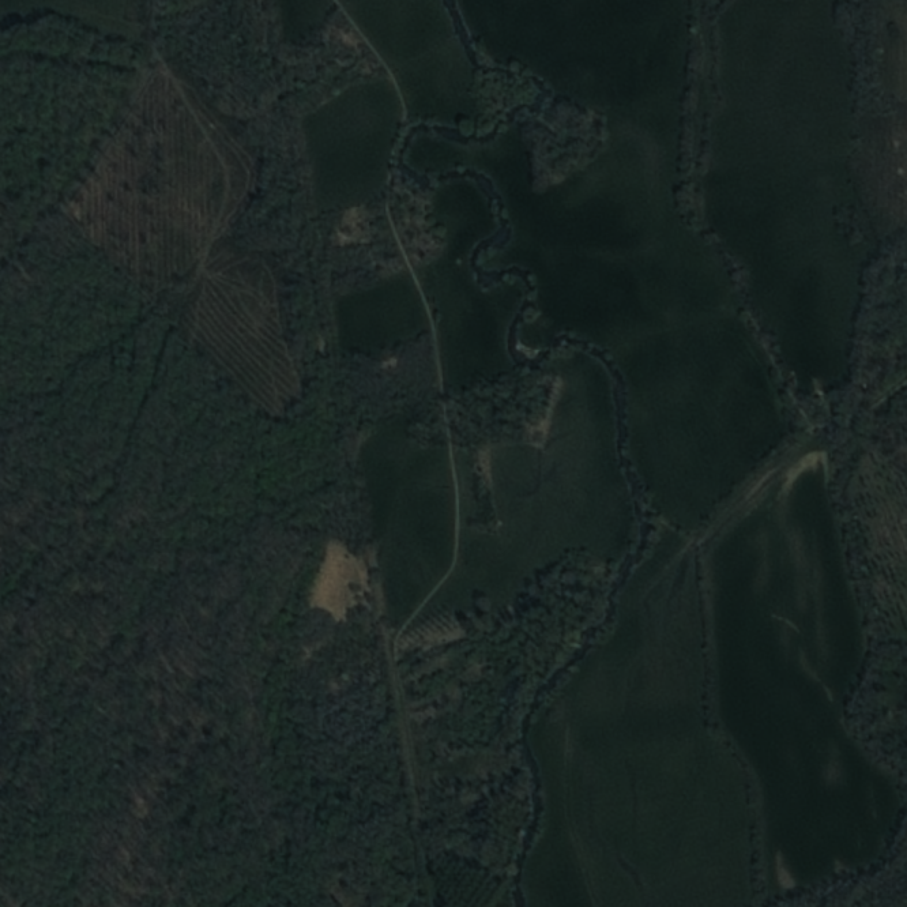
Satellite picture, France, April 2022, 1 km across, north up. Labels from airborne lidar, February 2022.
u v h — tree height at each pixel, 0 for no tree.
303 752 23
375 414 17
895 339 24
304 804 20
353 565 0
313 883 24
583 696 0
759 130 0
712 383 0
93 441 28
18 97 28
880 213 0
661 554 0
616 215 0
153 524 24
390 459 0
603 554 0
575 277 0
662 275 0
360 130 0
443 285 0
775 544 0
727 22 0
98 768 25
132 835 26
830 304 0
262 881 25
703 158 7
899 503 0
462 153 0
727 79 0
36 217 23
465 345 0
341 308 0
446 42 0
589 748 0
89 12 0
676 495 0
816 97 0
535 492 0
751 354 0
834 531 0
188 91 0
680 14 0
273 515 27
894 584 0
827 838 0
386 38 0
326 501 24
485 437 30
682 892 0
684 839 0
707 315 0
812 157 0
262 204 20
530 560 0
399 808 23
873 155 0
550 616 29
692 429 0
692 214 6
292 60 16
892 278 26
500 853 26
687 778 0
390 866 19
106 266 26
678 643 0
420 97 0
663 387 0
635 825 0
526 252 0
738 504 0
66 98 28
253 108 24
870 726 19
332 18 14
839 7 14
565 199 0
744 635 0
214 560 30
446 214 0
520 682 8
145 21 0
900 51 0
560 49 0
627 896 0
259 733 22
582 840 0
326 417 20
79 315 25
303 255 17
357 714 5
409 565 0
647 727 0
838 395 18
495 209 9
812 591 0
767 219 0
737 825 0
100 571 31
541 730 0
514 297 0
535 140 22
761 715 0
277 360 0
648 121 0
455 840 16
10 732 20
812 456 0
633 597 0
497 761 0
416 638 0
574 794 0
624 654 0
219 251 0
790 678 0
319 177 0
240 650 28
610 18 0
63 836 25
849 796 0
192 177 0
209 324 0
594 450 0
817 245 0
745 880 0
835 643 0
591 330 0
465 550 0
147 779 29
